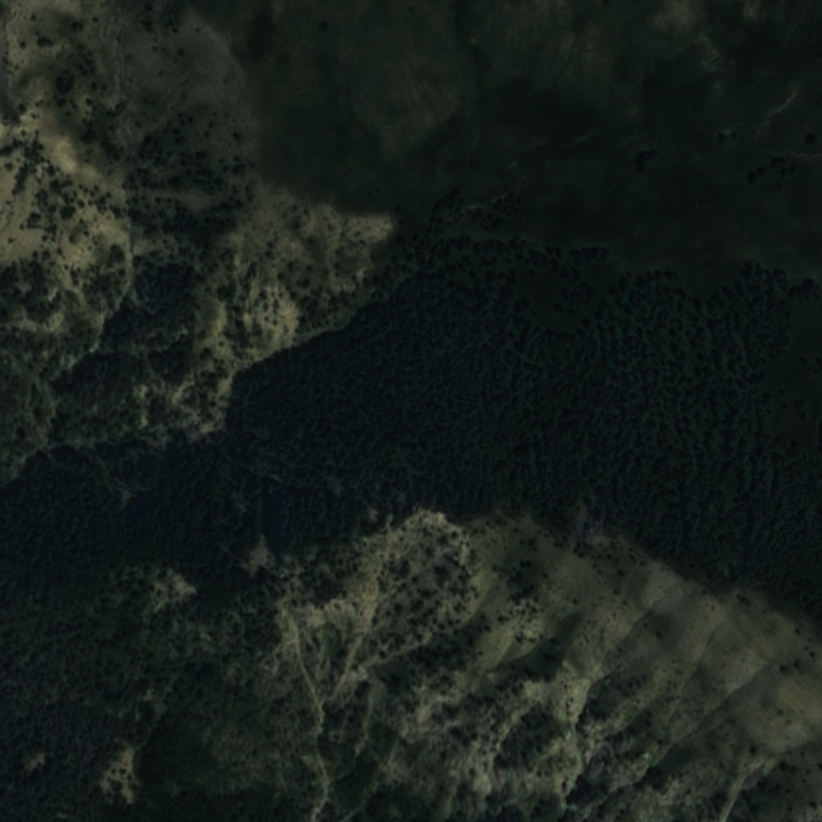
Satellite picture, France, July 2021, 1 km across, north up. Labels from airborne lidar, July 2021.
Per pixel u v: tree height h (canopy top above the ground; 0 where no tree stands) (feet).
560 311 45
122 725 28
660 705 0
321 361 43
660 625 0
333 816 32
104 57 0
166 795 25
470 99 0
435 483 43
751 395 43
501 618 23
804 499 49
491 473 46
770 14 0
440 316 48
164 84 0
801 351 0
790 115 0
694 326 27
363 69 0
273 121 0
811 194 0
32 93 0
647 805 0
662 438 24
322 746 35
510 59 0
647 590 0
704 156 0
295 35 0
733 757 0
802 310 0
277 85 0
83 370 43
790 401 0
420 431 41
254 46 0
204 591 59
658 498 57
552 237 0
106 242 0
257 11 0
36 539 39
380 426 53
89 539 50
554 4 0
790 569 30
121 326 51
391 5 0
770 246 0
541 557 0
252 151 0
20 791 41
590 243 0
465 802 34
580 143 0
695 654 0
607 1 35
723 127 0
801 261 0
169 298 24
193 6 0
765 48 0
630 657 0
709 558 49
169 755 24
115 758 22
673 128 0
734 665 0
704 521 61
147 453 20
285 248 0
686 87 0
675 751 0
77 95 0
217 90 0
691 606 0
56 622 23
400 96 0
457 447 25
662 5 0
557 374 48
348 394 35
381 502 29
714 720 0
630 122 0
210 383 27
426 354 22
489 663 0
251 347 22
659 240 0
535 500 56
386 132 0
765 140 0
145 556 64
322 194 0
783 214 0
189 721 19
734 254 0
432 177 0
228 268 30
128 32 0
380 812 29
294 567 20
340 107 0
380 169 0
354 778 44
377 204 0
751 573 29
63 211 27
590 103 0
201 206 0
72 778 56
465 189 0
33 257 26
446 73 0
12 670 41
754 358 43
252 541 49
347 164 0
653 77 0
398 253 0
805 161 0
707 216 0
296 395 49
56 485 57
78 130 0
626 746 0
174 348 36
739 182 0
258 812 24
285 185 0
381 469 58
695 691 0
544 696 0
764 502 55
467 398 45
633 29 0
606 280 0
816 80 0
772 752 0
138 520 72
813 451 0
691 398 57
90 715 57
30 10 0
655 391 43
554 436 67
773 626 0
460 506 35
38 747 62
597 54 0
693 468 51
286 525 29
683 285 0
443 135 0
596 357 43
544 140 0
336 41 0
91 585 50
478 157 0
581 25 0
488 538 0
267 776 27
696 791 0
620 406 36
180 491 67
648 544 29
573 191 0
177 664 22
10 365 27
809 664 0
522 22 0
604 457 70
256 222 0
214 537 78
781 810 0
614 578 0
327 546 30
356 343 46
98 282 28
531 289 0
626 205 0
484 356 70
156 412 48
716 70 0
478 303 37
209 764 19
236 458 59
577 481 65
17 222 0
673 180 0
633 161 0
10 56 0
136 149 0
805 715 0
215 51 0
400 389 34
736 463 42
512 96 0
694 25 0
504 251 60
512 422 70
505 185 0
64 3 0
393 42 0
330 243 0
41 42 33
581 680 0
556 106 0
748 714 0
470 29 0
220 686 25
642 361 29
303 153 0
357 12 0
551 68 0
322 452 52
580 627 0
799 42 0
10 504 28
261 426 54
